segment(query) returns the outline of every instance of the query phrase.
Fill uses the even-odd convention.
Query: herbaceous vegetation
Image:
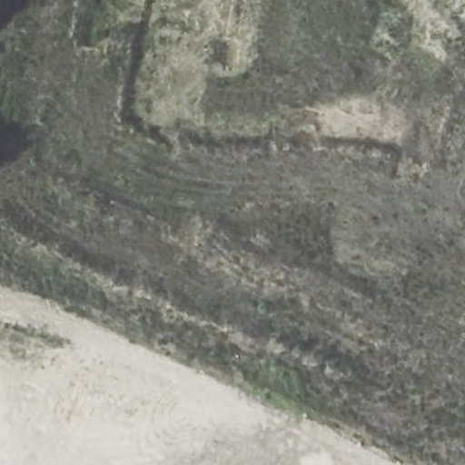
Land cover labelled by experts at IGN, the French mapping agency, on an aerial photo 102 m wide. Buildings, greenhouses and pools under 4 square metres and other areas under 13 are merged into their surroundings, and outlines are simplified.
[[[173,124],[153,125],[151,114],[154,102],[160,102],[165,98],[165,91],[158,80],[158,67],[167,64],[171,56],[171,47],[182,44],[183,35],[191,33],[193,25],[183,22],[183,11],[196,7],[200,0],[0,0],[0,291],[4,287],[9,287],[11,291],[29,292],[44,300],[58,303],[65,312],[76,314],[78,318],[89,320],[94,325],[102,325],[107,331],[124,336],[129,343],[143,345],[145,349],[167,356],[169,360],[182,363],[196,372],[203,371],[203,374],[211,376],[223,385],[242,391],[247,398],[252,398],[258,403],[271,405],[278,411],[307,414],[307,420],[318,421],[320,425],[336,430],[345,440],[358,441],[365,449],[374,447],[383,450],[389,460],[401,465],[465,465],[465,18],[461,18],[456,11],[450,15],[450,22],[458,27],[460,35],[449,38],[443,44],[447,54],[445,60],[440,60],[429,51],[412,45],[414,16],[401,0],[262,0],[260,24],[256,29],[256,38],[252,40],[258,58],[251,65],[247,65],[242,74],[209,74],[205,78],[202,109],[205,120],[203,127],[196,127],[187,118],[178,118]],[[107,53],[74,54],[74,47],[94,45],[104,38],[124,42],[122,49],[111,47]],[[122,116],[122,120],[120,120],[120,122],[118,122],[118,120],[114,120],[113,116],[114,107],[116,107],[116,87],[118,87],[118,85],[124,85],[124,102],[122,102],[122,114],[120,114],[120,116]],[[387,113],[391,104],[403,111],[403,116],[411,129],[396,143],[401,149],[400,163],[392,160],[391,154],[381,151],[361,153],[354,147],[322,145],[322,138],[325,136],[322,122],[318,120],[318,113],[307,113],[307,105],[334,105],[341,98],[358,96],[367,96],[371,102],[380,105],[380,114]],[[216,331],[213,327],[198,327],[194,323],[183,322],[183,318],[176,318],[174,323],[165,323],[160,309],[165,307],[167,302],[176,305],[180,311],[202,316],[203,320],[234,325],[243,336],[278,341],[282,343],[283,351],[280,354],[242,351],[236,343],[229,341],[225,332]],[[363,322],[365,334],[361,338],[341,329],[345,314],[351,316],[351,322]]]

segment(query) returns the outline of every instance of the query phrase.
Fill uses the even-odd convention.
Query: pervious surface
[[[160,309],[165,323],[174,323],[176,318],[183,318],[183,322],[194,323],[198,327],[213,327],[216,331],[225,332],[229,341],[236,343],[242,351],[280,354],[283,351],[282,343],[278,341],[243,336],[234,325],[203,320],[202,316],[180,311],[176,305],[167,302],[165,307]]]
[[[94,325],[89,320],[78,318],[76,314],[65,312],[58,303],[44,300],[29,292],[11,291],[9,287],[4,287],[0,291],[0,465],[401,465],[389,460],[383,450],[374,447],[365,449],[358,441],[345,440],[336,430],[320,425],[318,421],[307,420],[307,414],[278,411],[271,405],[258,403],[252,398],[247,398],[242,391],[223,385],[211,376],[203,374],[203,371],[196,372],[182,363],[169,360],[167,356],[145,349],[143,345],[129,343],[124,336],[107,331],[102,325]]]
[[[367,96],[358,96],[341,98],[334,105],[307,105],[307,113],[318,113],[318,120],[322,122],[325,136],[322,138],[322,145],[354,147],[361,153],[381,151],[391,154],[392,160],[400,163],[401,149],[396,143],[411,129],[403,116],[403,111],[391,104],[387,113],[380,114],[380,105],[371,102]]]
[[[151,114],[153,125],[173,124],[178,118],[187,118],[196,127],[203,127],[205,120],[202,109],[205,78],[209,74],[242,74],[247,65],[251,65],[258,58],[252,40],[256,38],[256,29],[260,24],[262,0],[200,0],[196,7],[183,11],[183,22],[193,25],[191,33],[183,35],[182,44],[171,47],[171,56],[167,64],[158,67],[158,80],[165,91],[165,98],[160,102],[154,102]]]
[[[122,120],[122,116],[120,116],[120,114],[122,114],[122,102],[124,102],[124,85],[118,85],[118,87],[116,87],[116,107],[114,107],[113,116],[114,120],[118,120],[118,122],[120,122],[120,120]]]
[[[363,322],[351,322],[351,316],[345,314],[341,329],[361,338],[365,334]]]
[[[74,54],[107,53],[111,47],[122,49],[124,42],[104,38],[94,45],[74,47]]]
[[[450,15],[456,11],[461,18],[465,18],[465,0],[401,0],[414,16],[412,45],[429,51],[440,60],[445,60],[447,54],[443,44],[449,38],[460,35],[458,27],[450,22]]]

